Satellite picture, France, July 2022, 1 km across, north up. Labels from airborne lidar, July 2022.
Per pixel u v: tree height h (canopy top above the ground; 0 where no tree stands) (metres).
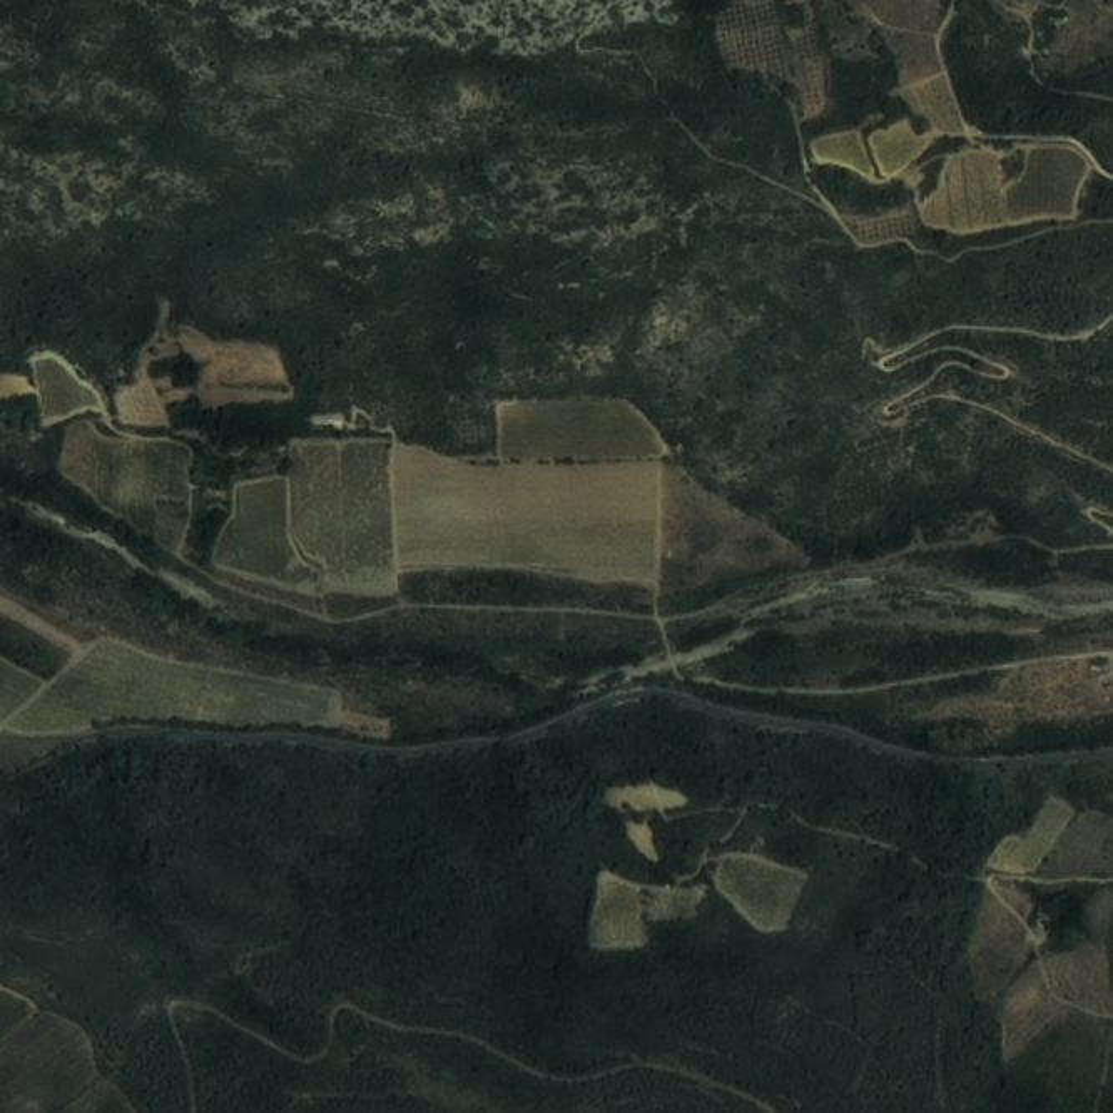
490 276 8
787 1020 5
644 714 5
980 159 0
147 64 7
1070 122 7
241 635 6
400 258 8
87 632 0
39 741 0
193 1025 0
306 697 0
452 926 7
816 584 0
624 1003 7
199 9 6
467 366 0
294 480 0
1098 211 9
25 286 12
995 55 0
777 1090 7
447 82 7
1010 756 6
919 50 0
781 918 0
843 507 6
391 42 6
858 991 6
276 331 8
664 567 0
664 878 8
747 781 10
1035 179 0
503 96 11
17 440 0
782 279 0
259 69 0
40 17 6
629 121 7
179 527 0
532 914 7
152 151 7
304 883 6
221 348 0
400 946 7
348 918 7
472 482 0
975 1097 9
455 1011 7
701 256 0
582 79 0
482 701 0
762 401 0
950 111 0
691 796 6
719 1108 5
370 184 0
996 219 0
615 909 0
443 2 0
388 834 7
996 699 0
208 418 13
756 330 0
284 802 11
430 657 6
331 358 8
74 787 10
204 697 0
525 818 14
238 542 0
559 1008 6
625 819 7
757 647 10
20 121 7
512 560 0
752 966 6
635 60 10
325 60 0
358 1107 7
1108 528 0
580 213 6
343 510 0
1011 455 6
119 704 0
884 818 11
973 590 0
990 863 0
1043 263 7
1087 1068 0
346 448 0
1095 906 0
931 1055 7
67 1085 0
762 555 0
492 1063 8
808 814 9
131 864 8
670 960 9
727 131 6
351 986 7
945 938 11
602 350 0
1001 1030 8
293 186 0
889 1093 6
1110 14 0
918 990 8
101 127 6
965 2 7
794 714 8
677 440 6
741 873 0
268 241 0
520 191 6
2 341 11
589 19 0
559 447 0
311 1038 5
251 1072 6
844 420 0
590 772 8
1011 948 0
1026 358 6
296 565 0
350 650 6
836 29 0
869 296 0
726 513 0
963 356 7
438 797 7
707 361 0
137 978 0
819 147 0
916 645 6
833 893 0
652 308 0
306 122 0
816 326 0
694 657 0
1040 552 6
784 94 9
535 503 0
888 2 0
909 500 7
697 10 7
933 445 5
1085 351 6
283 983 6
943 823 11
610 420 0
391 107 0
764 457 0
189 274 0
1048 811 0
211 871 0
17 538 7
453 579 6
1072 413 6
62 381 0
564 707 12
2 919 0
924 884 7
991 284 0
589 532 0
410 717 0
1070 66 0
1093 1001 0
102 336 10
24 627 0
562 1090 7
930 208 0
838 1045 6
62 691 0
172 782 10
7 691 0
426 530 0
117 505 0
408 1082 0
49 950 0
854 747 7
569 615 0
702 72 5
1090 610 0
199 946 0
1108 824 0
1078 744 6
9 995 0
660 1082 6
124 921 8
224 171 0
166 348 0
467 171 14
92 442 0
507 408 0
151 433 8
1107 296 9
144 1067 6
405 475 0
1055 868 0
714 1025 7
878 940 8
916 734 6
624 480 0
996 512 6
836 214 0
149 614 6
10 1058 0
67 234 0
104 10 6
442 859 6
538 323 7
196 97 0
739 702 9
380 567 0
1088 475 7
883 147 0
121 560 7
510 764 6
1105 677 0
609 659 7
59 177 0
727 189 0
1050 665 0
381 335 8
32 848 8
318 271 6
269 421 8
